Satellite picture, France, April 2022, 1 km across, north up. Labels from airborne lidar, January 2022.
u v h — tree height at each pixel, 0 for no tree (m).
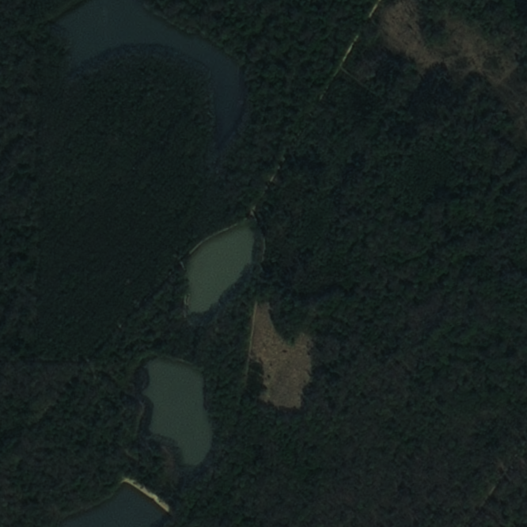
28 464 27
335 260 6
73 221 19
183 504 23
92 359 25
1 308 28
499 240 22
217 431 12
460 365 32
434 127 27
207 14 28
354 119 7
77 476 25
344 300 22
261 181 29
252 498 30
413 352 27
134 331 25
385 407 29
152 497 0
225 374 27
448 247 28
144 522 0
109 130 23
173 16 25
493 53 0
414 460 25
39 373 29
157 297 24
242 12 22
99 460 27
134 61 20
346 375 24
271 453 23
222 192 26
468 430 28
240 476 25
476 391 29
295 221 25
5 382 26
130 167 20
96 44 0
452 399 31
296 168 30
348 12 29
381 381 28
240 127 19
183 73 17
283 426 25
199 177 29
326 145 24
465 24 0
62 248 20
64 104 20
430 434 24
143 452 24
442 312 27
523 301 24
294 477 26
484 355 27
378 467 26
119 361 27
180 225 18
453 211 25
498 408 29
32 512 27
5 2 25
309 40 26
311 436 29
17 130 31
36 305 26
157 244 18
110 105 21
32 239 25
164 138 22
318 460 23
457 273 25
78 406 29
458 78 0
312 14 28
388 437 25
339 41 23
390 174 17
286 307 20
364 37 23
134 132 21
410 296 26
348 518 29
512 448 26
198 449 0
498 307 24
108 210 17
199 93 17
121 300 19
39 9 29
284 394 0
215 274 0
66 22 0
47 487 26
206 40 0
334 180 16
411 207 15
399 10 0
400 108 20
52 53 23
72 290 18
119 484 24
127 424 28
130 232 19
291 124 30
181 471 12
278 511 29
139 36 0
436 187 14
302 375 0
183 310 28
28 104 31
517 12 24
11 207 29
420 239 30
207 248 0
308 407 24
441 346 29
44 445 25
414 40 0
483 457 25
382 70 25
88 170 22
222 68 0
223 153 19
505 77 0
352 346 26
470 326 28
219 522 26
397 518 26
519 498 34
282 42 27
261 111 17
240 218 30
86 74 16
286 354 0
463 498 27
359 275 23
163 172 33
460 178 19
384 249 26
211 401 19
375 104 8
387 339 18
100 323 18
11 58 30
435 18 19
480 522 26
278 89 27
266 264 6
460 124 28
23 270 23
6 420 24
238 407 23
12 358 23
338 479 24
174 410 0
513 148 26
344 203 27
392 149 26
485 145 23
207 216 25
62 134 22
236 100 0
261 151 30
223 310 19
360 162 14
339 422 30
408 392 28
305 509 26
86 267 18
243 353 26
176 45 0
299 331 25
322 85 27
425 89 25
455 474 25
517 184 23
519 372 30
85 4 0
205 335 23
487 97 10
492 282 27
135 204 20
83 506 21
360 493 29
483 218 9
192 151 15
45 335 17
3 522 27
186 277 19
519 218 16
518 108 0
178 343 19
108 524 0
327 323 10
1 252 27
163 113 22
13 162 29
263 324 0
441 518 28
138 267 19
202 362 24
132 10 0
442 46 0
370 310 23
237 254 0
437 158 17
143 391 0
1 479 25
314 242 12
